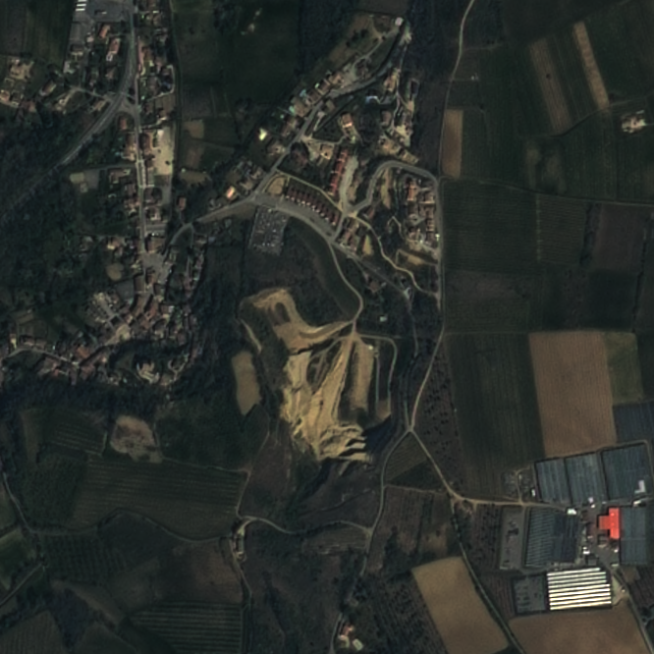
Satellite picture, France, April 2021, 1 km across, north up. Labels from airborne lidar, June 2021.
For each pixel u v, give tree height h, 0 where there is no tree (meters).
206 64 0
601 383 0
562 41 0
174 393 7
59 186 25
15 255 23
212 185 11
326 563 0
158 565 0
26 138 15
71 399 16
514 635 8
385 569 11
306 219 0
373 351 0
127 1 0
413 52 9
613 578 0
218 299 16
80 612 17
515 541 0
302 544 9
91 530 0
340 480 0
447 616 0
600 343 0
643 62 0
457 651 0
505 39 6
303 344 0
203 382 7
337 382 0
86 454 9
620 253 0
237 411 8
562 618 0
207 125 0
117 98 0
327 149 0
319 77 0
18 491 10
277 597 17
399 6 0
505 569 0
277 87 0
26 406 17
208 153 0
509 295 0
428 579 0
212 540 0
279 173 6
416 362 7
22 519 7
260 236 0
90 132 0
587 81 0
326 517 0
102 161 5
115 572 8
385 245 7
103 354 0
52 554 11
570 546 0
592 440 0
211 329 13
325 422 0
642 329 0
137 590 0
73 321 0
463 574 0
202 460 0
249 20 0
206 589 0
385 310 10
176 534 0
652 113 0
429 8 14
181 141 0
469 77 0
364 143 9
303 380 0
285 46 0
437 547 0
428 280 0
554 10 0
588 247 10
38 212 20
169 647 0
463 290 0
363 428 0
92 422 0
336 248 0
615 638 0
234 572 0
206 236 12
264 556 6
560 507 0
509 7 0
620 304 0
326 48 17
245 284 6
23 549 0
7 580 0
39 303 17
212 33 0
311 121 0
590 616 0
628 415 0
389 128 0
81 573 7
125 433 10
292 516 9
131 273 12
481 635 0
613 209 0
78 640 16
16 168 7
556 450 0
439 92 0
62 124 23
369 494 0
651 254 0
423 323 6
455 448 0
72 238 16
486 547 7
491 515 8
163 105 0
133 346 9
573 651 0
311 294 13
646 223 0
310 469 7
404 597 7
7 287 6
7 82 0
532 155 0
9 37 0
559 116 0
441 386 6
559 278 0
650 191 0
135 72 0
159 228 0
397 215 8
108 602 0
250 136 6
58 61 0
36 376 17
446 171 0
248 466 0
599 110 0
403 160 7
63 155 15
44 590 0
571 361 0
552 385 0
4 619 7
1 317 10
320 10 22
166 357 7
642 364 0
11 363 7
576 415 0
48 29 0
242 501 0
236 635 6
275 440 0
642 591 9
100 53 9
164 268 0
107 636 0
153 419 12
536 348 0
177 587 0
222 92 0
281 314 0
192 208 18
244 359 0
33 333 0
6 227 20
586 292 0
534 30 0
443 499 0
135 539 0
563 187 0
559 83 0
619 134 0
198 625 6
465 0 9
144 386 20
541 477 0
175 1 0
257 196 0
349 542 0
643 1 0
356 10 20
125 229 0
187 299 8
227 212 0
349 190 0
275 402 8
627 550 0
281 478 0
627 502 0
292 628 9
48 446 10
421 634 7
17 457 10
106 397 6
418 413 0
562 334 0
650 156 0
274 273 0
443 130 0
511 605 7
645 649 0
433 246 10
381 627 9
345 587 8
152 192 6
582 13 0
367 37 11
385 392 0
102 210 6
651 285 0
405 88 6
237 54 0
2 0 0
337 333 0
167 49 13
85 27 0
